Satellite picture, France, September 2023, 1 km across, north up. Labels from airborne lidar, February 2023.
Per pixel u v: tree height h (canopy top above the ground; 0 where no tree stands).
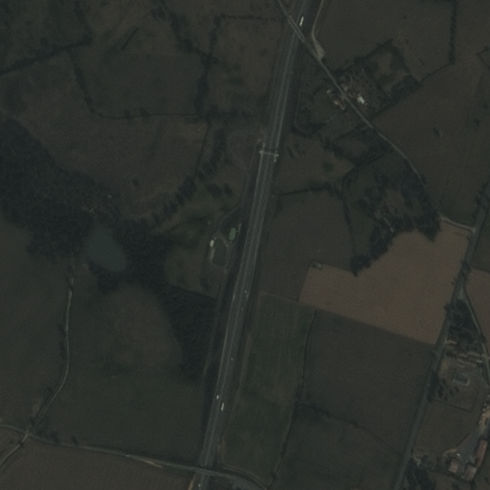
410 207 7
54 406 0
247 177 0
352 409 0
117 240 8
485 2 0
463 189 0
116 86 0
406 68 0
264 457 0
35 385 0
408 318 0
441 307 0
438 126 0
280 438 0
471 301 0
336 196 16
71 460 0
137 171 0
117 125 0
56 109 0
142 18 0
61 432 0
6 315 0
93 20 0
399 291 0
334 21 0
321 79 0
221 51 0
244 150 0
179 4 0
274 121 0
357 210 0
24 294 0
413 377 0
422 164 0
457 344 6
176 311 13
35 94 0
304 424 0
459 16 0
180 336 6
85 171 0
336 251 0
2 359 0
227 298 0
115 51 0
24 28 0
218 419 0
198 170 0
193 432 0
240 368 0
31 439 0
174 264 0
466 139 0
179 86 0
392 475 0
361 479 0
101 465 0
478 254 0
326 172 0
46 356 0
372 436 0
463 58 0
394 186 17
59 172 13
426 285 0
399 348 0
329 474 0
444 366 0
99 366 0
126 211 0
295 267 0
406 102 0
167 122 0
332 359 0
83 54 0
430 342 0
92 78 0
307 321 0
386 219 14
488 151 0
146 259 19
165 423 0
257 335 0
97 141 0
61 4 12
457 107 0
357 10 0
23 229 0
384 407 0
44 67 0
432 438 0
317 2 0
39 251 20
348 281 0
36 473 0
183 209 0
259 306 0
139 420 0
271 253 0
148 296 0
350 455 0
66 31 0
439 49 0
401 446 0
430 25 0
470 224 0
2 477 0
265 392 0
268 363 0
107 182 0
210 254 0
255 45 0
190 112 0
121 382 0
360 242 0
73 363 0
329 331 0
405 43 0
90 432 0
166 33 0
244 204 0
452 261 0
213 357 0
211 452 0
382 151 18
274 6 0
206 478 0
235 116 15
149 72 0
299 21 0
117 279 9
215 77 0
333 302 0
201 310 7
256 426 0
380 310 0
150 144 0
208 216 0
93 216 15
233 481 0
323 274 0
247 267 0
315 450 0
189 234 0
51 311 0
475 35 0
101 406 0
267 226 0
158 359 0
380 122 0
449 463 8
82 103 0
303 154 16
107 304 0
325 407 0
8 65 0
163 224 0
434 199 0
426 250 0
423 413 0
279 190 0
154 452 0
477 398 0
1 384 0
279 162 0
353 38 0
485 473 0
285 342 0
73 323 0
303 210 0
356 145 0
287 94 0
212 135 0
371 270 0
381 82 0
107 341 0
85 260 0
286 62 0
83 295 0
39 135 0
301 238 0
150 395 0
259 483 0
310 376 0
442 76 0
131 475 0
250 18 8
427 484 10
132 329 0
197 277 0
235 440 0
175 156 0
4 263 0
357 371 0
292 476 0
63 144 0
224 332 0
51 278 0
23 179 19
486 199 16
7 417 0
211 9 0
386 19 0
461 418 0
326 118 0
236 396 0
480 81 0
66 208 18
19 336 0
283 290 0
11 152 13
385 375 0
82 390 0
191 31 0
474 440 0
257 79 0
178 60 0
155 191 0
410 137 0
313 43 0
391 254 0
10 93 0
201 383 0
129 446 0
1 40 0
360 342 0
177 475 0
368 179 0
